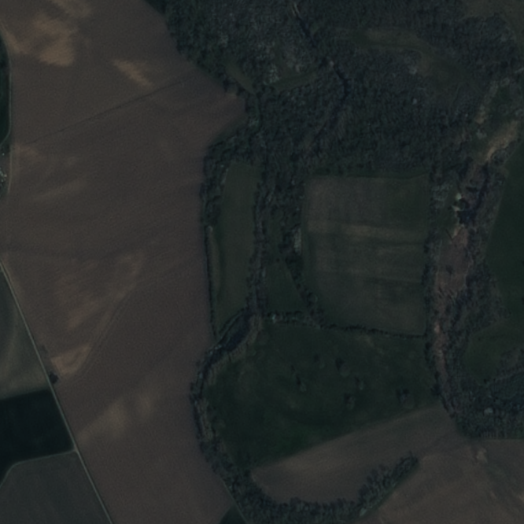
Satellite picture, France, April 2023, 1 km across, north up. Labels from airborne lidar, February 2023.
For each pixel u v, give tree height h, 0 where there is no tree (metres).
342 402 0
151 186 0
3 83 0
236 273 0
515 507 0
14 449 0
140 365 0
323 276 0
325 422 0
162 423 0
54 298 0
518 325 0
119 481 0
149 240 0
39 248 0
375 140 21
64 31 0
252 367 0
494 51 18
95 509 0
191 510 0
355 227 0
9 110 0
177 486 0
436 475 0
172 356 0
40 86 0
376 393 0
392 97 20
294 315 7
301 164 28
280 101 9
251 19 10
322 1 18
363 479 0
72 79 0
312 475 0
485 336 0
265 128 12
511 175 0
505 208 0
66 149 0
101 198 0
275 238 0
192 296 0
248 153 7
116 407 0
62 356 0
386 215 0
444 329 20
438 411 0
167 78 0
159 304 0
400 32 0
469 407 16
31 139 0
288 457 0
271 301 0
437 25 13
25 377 0
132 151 0
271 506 15
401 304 0
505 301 0
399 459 0
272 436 0
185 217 0
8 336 0
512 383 11
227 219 0
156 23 0
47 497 0
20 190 0
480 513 0
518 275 0
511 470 0
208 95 0
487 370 0
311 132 27
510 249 0
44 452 0
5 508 0
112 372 0
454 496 0
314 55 15
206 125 0
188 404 0
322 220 0
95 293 0
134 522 0
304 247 0
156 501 0
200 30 19
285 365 0
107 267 0
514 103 0
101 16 0
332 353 0
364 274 0
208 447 15
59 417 0
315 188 0
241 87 0
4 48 15
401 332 0
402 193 0
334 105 16
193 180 0
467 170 12
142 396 0
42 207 0
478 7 0
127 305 0
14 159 0
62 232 0
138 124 0
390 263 0
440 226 0
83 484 0
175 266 0
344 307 0
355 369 0
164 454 0
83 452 0
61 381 0
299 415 0
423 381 0
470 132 10
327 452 0
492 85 9
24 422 0
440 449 0
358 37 0
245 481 5
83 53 0
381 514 0
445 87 0
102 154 0
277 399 0
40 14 0
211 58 19
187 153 0
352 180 0
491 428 15
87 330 0
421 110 17
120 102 0
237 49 17
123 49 0
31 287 0
